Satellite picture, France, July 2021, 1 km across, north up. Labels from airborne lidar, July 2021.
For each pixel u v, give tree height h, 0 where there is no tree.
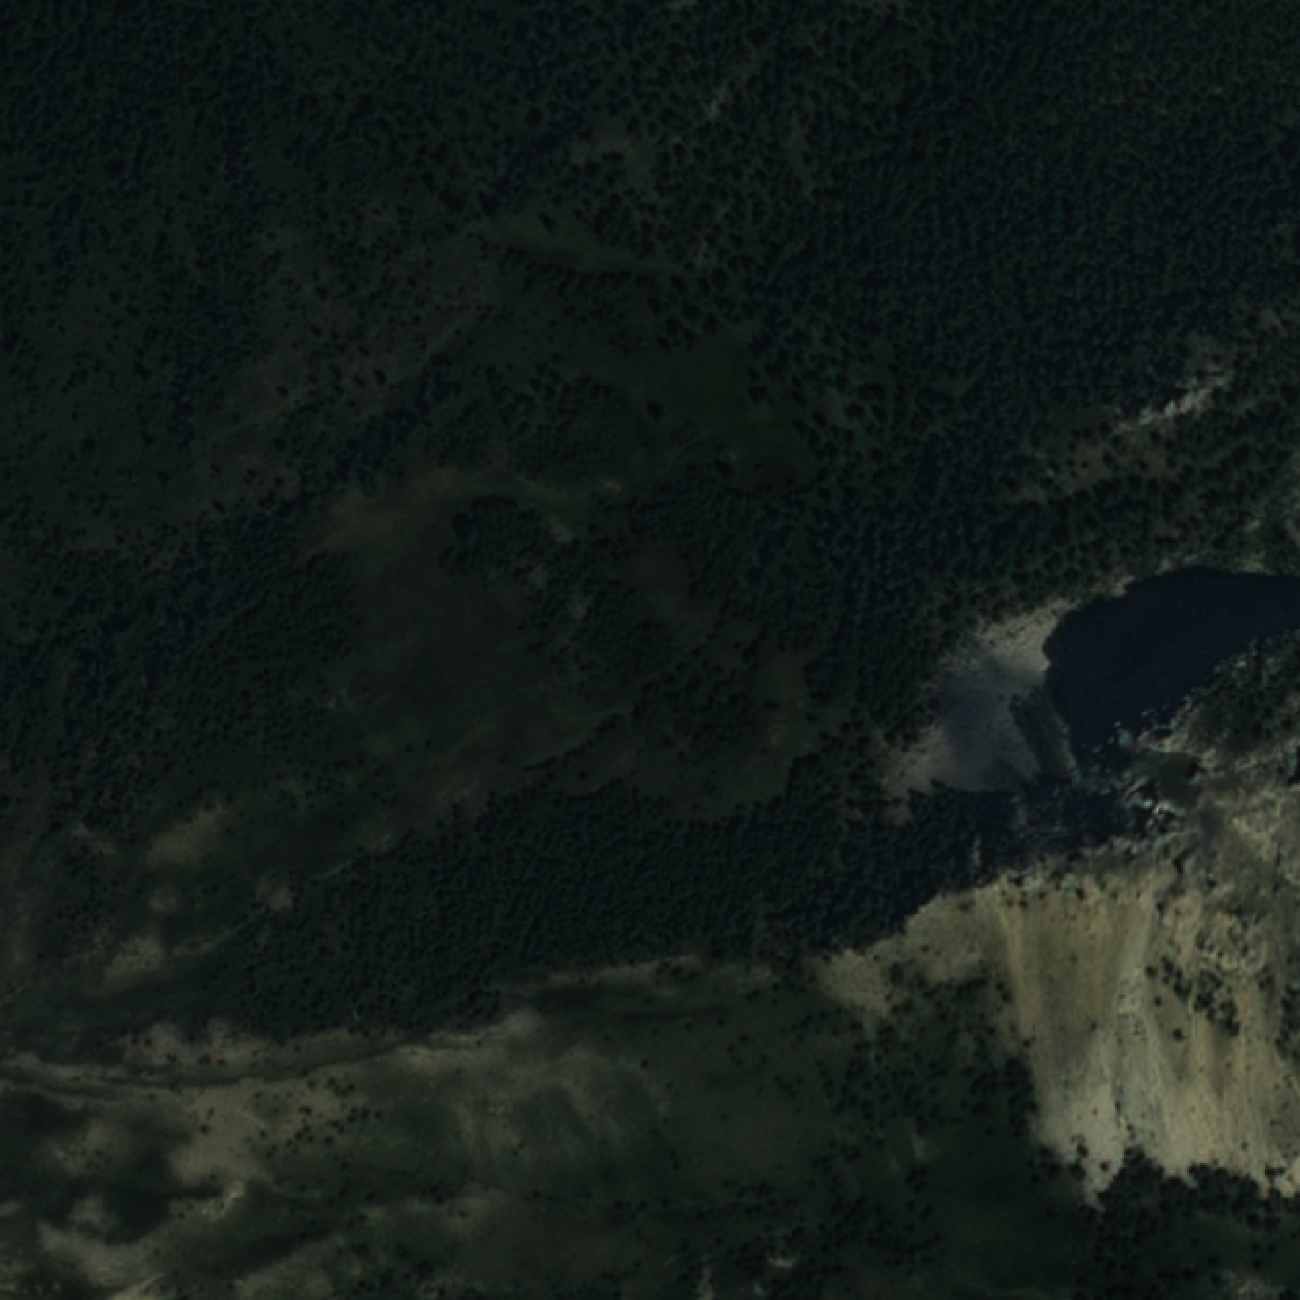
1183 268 6
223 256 8
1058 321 9
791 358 19
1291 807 0
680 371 0
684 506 13
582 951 8
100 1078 0
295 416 8
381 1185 0
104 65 14
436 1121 0
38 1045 0
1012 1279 0
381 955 12
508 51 9
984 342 12
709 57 27
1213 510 12
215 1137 0
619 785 9
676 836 13
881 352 0
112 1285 0
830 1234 11
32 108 16
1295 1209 9
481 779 0
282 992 7
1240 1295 0
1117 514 21
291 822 0
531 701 0
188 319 6
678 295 7
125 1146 0
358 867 9
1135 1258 12
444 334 0
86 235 10
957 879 8
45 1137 0
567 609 11
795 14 22
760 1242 8
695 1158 0
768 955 8
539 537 11
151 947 0
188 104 13
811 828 13
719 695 8
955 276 19
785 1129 0
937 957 0
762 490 9
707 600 9
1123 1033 0
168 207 7
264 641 13
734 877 15
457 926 10
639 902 15
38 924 0
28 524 8
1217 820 0
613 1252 0
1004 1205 0
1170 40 15
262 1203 0
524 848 9
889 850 13
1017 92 18
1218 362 11
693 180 14
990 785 0
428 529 0
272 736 11
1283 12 17
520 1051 0
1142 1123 0
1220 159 17
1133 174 18
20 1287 0
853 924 13
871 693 13
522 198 11
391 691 0
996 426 15
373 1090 0
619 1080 0
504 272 9
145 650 7
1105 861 0
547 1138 0
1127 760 10
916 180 18
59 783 8
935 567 16
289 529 10
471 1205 0
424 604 0
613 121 0
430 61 9
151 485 0
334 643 8
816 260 16
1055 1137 0
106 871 0
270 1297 0
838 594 8
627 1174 0
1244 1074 0
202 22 13
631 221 20
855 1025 8
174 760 8
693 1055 0
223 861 0
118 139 10
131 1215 0
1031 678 0
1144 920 0
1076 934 0
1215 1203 17
